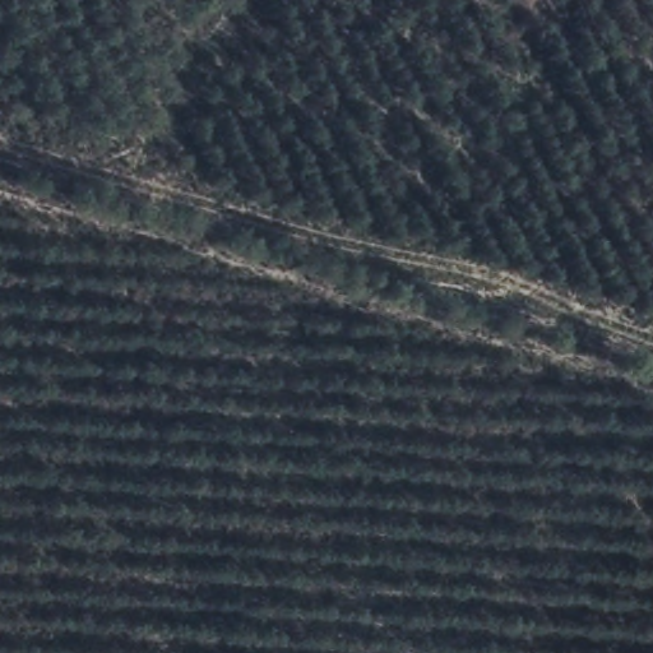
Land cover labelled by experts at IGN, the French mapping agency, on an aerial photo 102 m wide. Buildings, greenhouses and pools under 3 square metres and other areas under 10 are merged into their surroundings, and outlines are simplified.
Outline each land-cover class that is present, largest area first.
<instances>
[{"label":"brushwood","instance_id":"1","mask_svg":"<svg viewBox=\"0 0 653 653\"><path fill-rule=\"evenodd\" d=\"M133 0H82L84 23L77 28H59L51 38L33 41L15 66L18 77L23 79V89L18 94H0V145L10 143L13 138H28L41 153H51L77 166L94 161L97 166H102L105 173L130 179L138 173H166V181L189 184L191 189L209 184L212 199L227 204L253 199V179L242 158L235 153L230 130L224 125V112H232L237 117L242 138L253 150V158L263 171V179L273 196L270 217L265 219L281 222L283 207L293 199L304 202L309 222H324L316 191L304 176L301 158L293 148V143L304 140L306 148L314 153L321 179L337 207V222L329 230H349L357 237L372 235L378 240H385L390 224L385 219L383 204L378 194H372L365 168L360 166V158L342 125L347 117H352L357 130L365 135L367 115L344 87L319 26V18L329 13L332 26L342 41V48L349 59L352 77L372 99H378L380 92L388 89V84L380 77L370 79L367 74L365 56L355 43V36L360 31L352 23L347 26L342 20L339 8L332 0H247L240 13L227 15V23L214 36L204 38L202 43H191L186 66L176 71V79L181 84V99L168 112L171 128L163 135L148 140L145 150L128 148L115 130L102 135L99 125L89 115V102L99 89L110 87V82L99 77L89 46L130 23ZM288 5L298 10L304 31L314 41L311 51L293 43L286 20ZM41 56H46L51 69L56 71L64 89V102L69 107L61 133L43 120L48 110L46 102L36 97V89L43 82V77L36 71ZM258 56L268 59V74L283 97L286 112L293 117L296 128L288 133H283V125L273 112L268 92L255 79ZM286 56L296 59L298 79L306 84L309 92L298 102L293 99L286 77ZM247 94H253L260 102L263 120L273 130L281 153L286 156L288 176L293 184L291 189L281 186L275 168L265 153V145L255 133L253 117L242 107V99ZM191 117L212 120L214 143L224 153V163L232 171L227 179L214 181V166L204 156L202 135H196L189 128ZM314 122H324L334 150L347 163L349 179L360 186L370 212V227L355 219L352 202L342 191L327 161V153L311 130ZM416 18V26L411 31H403V20L393 18L385 26L390 28L398 43L400 59L406 61L408 71L421 87L423 107L429 115L439 125H446V120L444 107L439 102V87L431 82L429 71L413 51L416 41H426L439 38L444 33L436 23V0H418L411 8ZM587 10V5L571 20H564L559 26L574 64H584L587 48L579 36V15ZM444 79L449 82L454 77L467 74V89L482 105V110H487V115L495 120L500 145L508 150L510 158L505 168L490 163L487 171L477 168L467 176L469 196L459 199L451 179L446 176L436 186L434 199L423 202L421 207L416 204L403 214L408 235L398 245L406 250L441 255L449 245L446 227L457 219L462 235L469 242L464 247V258L482 263L487 260V253L474 227L472 212L480 202H487L497 189H503V204L487 212V227L505 258L508 270H513L520 265V258L513 247V240L505 235L503 222L515 219L536 263L546 260V250L556 247L569 288L576 296L584 288V275L576 265L566 235L559 230L554 219L533 230V222L525 214L533 204L538 207L546 199L533 173V166L520 150V143L531 140L533 150L546 166L548 179L554 181L564 214L571 219L576 235L587 247V258L599 281V293H587L582 301L592 309L615 306L612 298L620 291L615 288L607 273V265L599 255V245L610 242L627 283L638 278V268L627 247L622 245L607 209L617 204L622 209L633 240L643 247L648 263H653V130L648 117L643 115L635 122L638 140L630 145L627 140L620 143L617 150L625 163H630L635 156H643L645 163L633 166L625 176H615L602 150V135L597 133L582 97L571 89L561 97V102L554 99L543 107L554 125V133L561 140V148H569L582 138L587 140L592 168L587 171L584 166H576L574 171L582 179V186L569 189L559 163L548 150L543 133L536 128H525V117L515 110L513 102L500 107L495 89L482 77V69L472 56L467 43L457 54L441 46L439 54ZM0 245L66 247V260L59 263L0 258V301L61 306L87 304L140 311L138 321H97L84 316L33 319L23 314H0V329L133 337L148 334L150 314L161 311L163 337L171 339L204 337L212 342L265 344V329H214L204 324H176V311H204L255 319L291 316L293 327L286 329L283 342L288 347H352L380 352L385 349L383 337H355L352 327L390 324L393 334L400 339V349L411 355H482L503 360L505 349L503 347L464 342L449 337L446 329L436 332L421 321H400L388 314H367L357 306H337L329 298H324L319 304H247L227 296H212L209 301L196 304L186 301L184 296L153 293L148 304H143L135 301L133 293L28 286L23 273L222 283L230 268L224 263H217L212 270H199L196 265L166 268L120 265L110 260L87 263L79 258L82 247H120L133 253L176 255L179 247V242L140 235L102 232L92 224H82V219L74 217L69 219L66 232L61 235L54 230L51 214L23 209L13 202L0 199ZM28 360L92 362L110 367L133 365L135 370L130 380L74 378L54 372L31 375L26 372ZM148 365L176 372L196 370L232 375L253 372L258 378L275 375L283 378V388L240 390L230 385L148 383ZM304 378H349L357 383L380 380L408 385L474 388L472 400L431 398L429 426L314 421L286 416L242 418L232 413L161 411L153 406L112 408L77 403L79 390H99L153 393L166 398L196 395L199 400H232L242 408L253 403H293L388 408L403 413L416 411L413 398H375L316 390L298 393L296 383ZM61 388L59 400H0V418H36V429L0 431V441H46L56 446H74L71 434L56 431V421L71 418L156 426V439H112L89 434L84 444L87 449L176 451L212 457H278L291 462L319 459L327 464L357 459L383 467L449 472L469 469L528 477L543 474L559 480L574 477L653 485V472L584 464L554 467L541 464V459L548 451H620L625 457H653V436L635 439L617 434L574 431H446V421H451L454 416L480 413L495 418L490 393L500 388L627 395L635 388L633 383L615 378H594L582 370L554 365L546 357L525 355V367L515 372H436L375 367L360 362L352 365L347 360L247 362L240 357L176 355L145 347L110 352L59 344L0 342V388ZM173 426L270 431V441H166V431ZM281 434L390 439L444 446L464 444L472 446V457H421L400 451L385 454L355 446L344 451H337L332 446H283L278 444ZM492 449H528V459L497 462L492 459ZM566 416H579L589 421L607 418V406L566 403ZM620 421L653 423V408L627 406L620 408L617 416ZM0 472L43 469L41 459L31 451L0 457ZM59 472L69 477H112L138 482H209L227 487L365 492L385 497L413 495L418 500H485L492 503V513L487 515L342 508L314 503L275 505L263 500L196 497L189 492L133 495L84 487L61 490L0 485V500H79L92 505L189 508L194 513H240L319 520L418 523L426 528L510 533H531L533 520L508 518L505 505L602 508L607 513L653 518V497L640 500L610 492L574 495L561 490H503L469 485L464 487L441 482L380 480L360 474L311 477L84 459L59 464ZM0 528L36 533H122L128 538L217 541L237 546H275L301 551L566 564L599 571L653 574V559L564 548L380 538L357 533L304 536L265 528H189L179 523H145L115 518L107 520L84 515L56 518L43 513H0ZM551 533L561 538L592 536L602 541H633L635 533L633 528H607L589 520H556ZM0 556H15L26 561L56 559L61 564L107 561L138 566L235 569L263 574L291 571L306 576L388 582L390 587L403 579L398 569L390 566H344L212 554H133L122 548L112 551L71 546H28L13 541L0 543ZM418 582L423 584L482 589L513 587L518 592L543 594L574 592L579 582L566 576L492 579L485 574L467 571L421 569ZM0 589H84L133 597L158 594L222 602L245 599L253 605L278 602L301 607L406 615H492L500 620L523 617L546 625L564 622L653 630V615L599 612L587 607H533L495 599L462 602L449 597L411 594H337L329 589H291L265 584H186L112 579L97 574L59 576L56 571H0ZM589 594L599 599L653 602V587L640 589L589 584ZM0 615L33 620L92 617L148 625H191L268 633L278 630L288 635V643L283 648H273L230 645L214 640H163L161 633H156V638L148 640L122 633L0 630V645H10V648H64V650H97V653H347L306 650L301 648L304 635L400 640L408 643L406 653H423V643L431 640L454 648L497 645L523 653H653V643L551 635L531 638L495 630L454 627L413 630L400 625L250 617L240 612H189L168 607H82L74 602H0Z\"/></svg>","mask_w":653,"mask_h":653},{"label":"coniferous trees","instance_id":"2","mask_svg":"<svg viewBox=\"0 0 653 653\"><path fill-rule=\"evenodd\" d=\"M84 23L82 0H0V94H18L23 89V79L18 77L15 66L33 41L51 38L59 28H77ZM158 0H133L130 23L89 46L99 77L110 82V87L99 89L89 102V115L99 125L102 135L115 130L128 148L145 150L148 140L163 135L171 128L168 112L181 99V84L176 79V71L186 66L191 43L194 33L209 18L219 13L227 15L240 13L247 0H186L194 8V13L171 28V38L166 43L158 33L148 28V20L156 18L153 5ZM339 8L342 20L347 26L352 23L362 10H367L370 0H332ZM418 0H393V18L403 20V31H411L416 26V18L411 8ZM451 18L467 33V43L472 56L482 54L485 48L474 20L464 10V0H451ZM579 36L587 48L584 64H574L559 26H546L543 38L556 48V61L564 69L571 89L582 97L597 133L602 135V150L615 176H625L633 166L645 163L643 156H635L630 163H625L617 150L620 143L627 140L630 145L638 140L635 122L622 97L617 94L615 79L607 66L610 61H620L633 94L643 105V115L648 117L653 130V79L643 84V79L638 77V66L627 59L620 28L602 8V0H589L587 5V10L579 15ZM592 71L602 82V89L610 99V110L605 112L597 107L584 82ZM620 8L630 18V26L635 31L640 56H650L653 51V0H620ZM286 20L293 43L311 51L314 41L304 31L298 10L288 5ZM319 26L344 87L367 115L365 135L357 130L352 117H347L342 125L360 158V166L365 168L372 194H378L383 204L385 219L390 224L385 240L390 245H398L408 235L403 214L398 212L390 191L378 176L375 158L385 148V143L380 133L383 122L380 115L372 110V99L352 77L349 59L342 48V41L332 26L329 13L319 18ZM355 43L365 56L367 74L370 79L380 77L378 59L388 54L393 71L408 92L406 110L416 112L423 107L421 87L408 71L406 61L400 59L398 43L390 28L385 26H380V31H360L355 36ZM413 51L429 71L431 82L439 87V102L444 107L446 120V125H439L429 115L423 120V128L434 138V153L444 161L446 176L451 179L459 199L469 196L467 176L459 166L457 150L446 148L444 140H439V135L444 128H462L454 110V94L467 89V74L454 77L449 82L444 79L439 54L429 48L426 41H416ZM503 54L508 59V69L531 71L538 64L520 56V48L515 43H508ZM36 71L43 77V82L36 89V97L46 102L48 110L43 120L61 133L69 107L64 102V89L56 71L51 69L46 56H41ZM255 79L268 92L273 112L283 125V133H288L296 128L293 117L286 112L283 97L268 74V59L258 56ZM286 77L293 99L298 102L309 92L306 84L298 79L296 59L286 56ZM242 107L253 117L255 133L265 145V153L275 168L281 186L291 189L293 184L288 176L286 156L281 153L273 130L263 120L260 102L253 94H247L242 99ZM536 128L543 133L548 150L559 163L569 189L582 186V179L574 171L576 166H584L587 171L592 168L587 140L582 138L569 148H561V140L554 133V125L543 107L531 105ZM477 122L485 133V148L492 150L500 145L495 120L487 115V110H477ZM224 125L230 130L235 153L242 158L253 179V199L255 214L265 219L270 217L273 196L263 179V171L253 158V150L242 138L237 117L232 112H224ZM189 128L196 135H202L204 156L214 166V181L227 179L232 171L224 163V153L214 143L212 120L191 117ZM311 130L327 153V161L342 191L352 202L355 219L370 227V212L360 186L349 179L347 163L334 150L324 122H314ZM293 148L301 158L304 176L316 191L324 222L329 230L337 222V207L321 179L314 153L306 148L304 140L293 143ZM520 150L533 166V173L546 199L538 207L533 204L525 214L533 222V230L554 219L559 230L566 235L576 265L584 275V288L576 296L582 301L587 293H599V281L587 258V247L576 235L571 219L564 214L554 181L548 179L546 166L533 150L531 140L520 143ZM503 204V189H497L487 202H480L472 212L474 227L487 253V260L482 263L497 270H508L505 258L487 227V212ZM281 222L286 224L309 222L304 202L293 199L283 207ZM622 245L627 247L638 268V278L627 283L610 242L599 245V255L607 265V273L615 288L620 291L612 298L615 306H620L622 314L643 327L653 324V263H648L643 247L633 240L622 209L617 204L607 209ZM449 245L441 255L464 258V247L469 242L462 235L457 219L446 227ZM505 235L513 240V247L520 258V265L513 270L523 278L543 281L556 291L569 288L556 247L546 250V260L536 263L515 219L503 222ZM0 258L59 263L66 260V247L0 245ZM79 258L87 263L110 260L120 265L166 268L196 265L199 270H212L217 263L212 258L184 253L179 247L176 255L133 253L120 247H82ZM28 286L133 293L135 301L143 304H148L153 293L184 296L186 301L196 304L209 301L212 296H227L247 304H319L324 298L288 281L260 278L240 268H230L222 283L23 273ZM0 314H23L33 319L84 316L97 321H138L140 311L87 304L61 306L0 301ZM176 324H204L214 329H265V344L212 342L204 337L171 339L163 337L161 311L150 314L148 334L133 337L0 329V342L59 344L110 352L145 347L176 355L240 357L247 362L347 360L352 365L360 362L375 367L436 372H515L525 367V355L523 352L505 349L503 360L482 355H411L400 349V339L393 334L390 324L352 327L355 337H383L385 349L380 352L352 347H288L283 342L286 329L293 327L291 316L255 319L204 311H176ZM135 370L133 365L110 367L92 362L28 360L26 372L31 375L54 372L74 378L130 380ZM148 383L230 385L240 390L283 388V378L275 375L258 378L253 372L232 375L196 370L176 372L148 365ZM298 393L316 390L375 398H413L416 411L403 413L388 408L293 403H253L242 408L232 400H199L196 395L166 398L153 393L99 390H79L77 403L112 408L153 406L161 411L232 413L242 418L286 416L314 421L429 426L431 398L472 400L474 388L408 385L380 380L357 383L349 378H304L296 383ZM61 388H0V400H59ZM495 418L480 413L454 416L451 421H446V431H574L617 434L635 439L653 436V423L620 421L617 416L620 408L627 406L653 408V395H643L635 388L627 395L500 388L490 393ZM566 403L607 406V418L589 421L579 416H566ZM36 429V418H0V431ZM56 431L71 434L74 446H56L46 441H0V457L31 451L41 459L43 469L0 472V485L61 490L84 487L133 495L189 492L196 497L263 500L275 505L314 503L342 508L487 515L492 513V503L485 500H418L413 495L385 497L365 492L227 487L209 482H138L112 477H69L59 472V464L84 459L311 477L360 474L380 480L441 482L464 487L469 485L503 490H561L574 495L610 492L640 500L653 497V485L574 477L559 480L543 474L528 477L469 469L449 472L383 467L357 459L327 464L319 459L291 462L278 457H212L176 451L87 449L84 444L89 434L112 439H156V426L71 418L56 421ZM270 441V431L173 426L166 431V441ZM278 444L283 446H332L337 451H344L355 446L385 454L400 451L421 457H472V446L464 444L444 446L390 439L281 434ZM492 459L497 462L528 459V449H492ZM541 464L554 467L584 464L653 472V457H625L620 451H548L541 459ZM0 513H43L56 518L84 515L107 520L115 518L145 523H179L189 528H265L304 536L357 533L380 538L564 548L653 559V518L607 513L602 508L505 505L508 518L533 520L531 533H510L426 528L418 523L319 520L240 513H194L189 508L92 505L79 500H0ZM556 520H589L607 528H633L635 533L633 541H602L592 536L561 538L551 533ZM13 541L28 546H71L112 551L122 548L133 554H212L344 566H390L398 569L403 579L390 587L388 582L306 576L291 571L263 574L235 569L138 566L107 561L61 564L56 559L26 561L15 556H0V571H56L59 576L97 574L112 579L186 584H265L291 589H329L337 594H411L449 597L462 602L495 599L533 607H587L599 612L653 615V602L599 599L589 594V584L640 589L653 587V574L599 571L566 564L301 551L275 546H237L217 541L128 538L122 533H36L0 528V543ZM421 569L467 571L485 574L492 579L566 576L579 582L574 592L543 594L518 592L513 587L482 589L423 584L418 582ZM0 602H74L82 607H168L189 612H240L250 617L400 625L413 630L454 627L495 630L531 638L551 635L653 643V630L564 622L546 625L523 617L500 620L492 615H406L301 607L278 602L253 605L245 599L222 602L158 594L133 597L84 589H0ZM0 630L122 633L148 640L156 638V633H161L163 640H214L230 645L273 648H283L288 643V635L278 630L268 633L191 625H148L92 617L33 620L0 615ZM408 643L400 640L304 635L301 648L306 650L347 653H406ZM423 653H523L497 645L454 648L431 640L423 643ZM0 653H97V650H64V648H10V645H0Z\"/></svg>","mask_w":653,"mask_h":653},{"label":"bare soil","instance_id":"3","mask_svg":"<svg viewBox=\"0 0 653 653\"><path fill-rule=\"evenodd\" d=\"M156 18L148 20V28L158 33L166 43L171 38V28L194 13V8L186 0H158L153 5ZM393 0H370L367 10H362L352 23L360 31H380V26H385L393 18ZM436 23L444 33L439 38L426 41L429 48L439 54L441 46L457 54L467 43V33L451 18V0H436ZM589 0H464V10L474 20L485 48L482 54L472 56L482 69V77L495 89L500 107L513 102L515 110L525 117V128H536L531 105L543 107L554 99L561 102V97L571 89L564 69L556 61V48L543 38L546 26H559L564 20H571L587 5ZM508 43H515L520 48V56L538 64L531 71L508 69V59L503 54ZM602 8L620 28L627 59L638 66V77L643 79V84L653 79V51L650 56H640L635 31L630 26V18L620 8V0H602ZM227 23V15L219 13L209 18L194 33L191 43H202L204 38L214 36ZM380 77L388 84V89L380 92L378 99H372V110L380 115L383 122L380 133L385 143V148L375 158L378 176L390 191L398 212L403 214L416 204L421 207L423 202L434 199L436 186L446 176L444 161L434 153V138L423 128V120L429 115L423 107L416 112L406 110L408 92L393 71L388 54L378 59ZM607 66L615 79L617 94L622 97L635 122L643 115V105L633 94L620 61H610ZM584 82L597 107L605 112L610 110V99L602 89V82L592 71ZM454 110L462 128H444L439 135V140H444L446 148L457 150L459 166L467 176L477 168L487 171L490 163L505 168L510 158L508 150L500 145L492 150L485 148V133L477 122V110H482V105L467 89L454 94ZM0 199L13 202L23 209L51 214L54 230L61 235L66 232L69 219L74 217L82 219V224H92L102 232L140 235L179 242V247L184 253L212 258L217 263H224L230 268H240L260 278L288 281L324 298H329L337 306H349L344 293L337 291L329 281H309L301 273L283 268L263 265L258 260L235 255L230 247L209 245L196 250L191 247V240H186V230H166L168 217L156 214V204L161 199H150L143 209H128V219L102 217L92 209H84L79 204L82 199L74 196H59V202H38L26 191L20 181L10 184L0 176ZM423 283H431L436 288L469 291L480 298L500 296L497 286L477 281L472 275L421 270ZM357 306L367 314H388L400 321H421L436 332L446 329L441 319L429 316L426 311L421 306H406L400 311L395 301L380 298L375 293ZM605 329L610 344H615L622 352H635L643 360L653 355V324L643 327L622 314L617 316V321L594 319L592 324ZM464 342L503 347V337L487 329V321H477ZM525 355L546 357L554 365L582 370L594 378H615L633 383L638 378V365L630 370L615 367L607 360L576 352V347L571 352H559L556 347L531 337L523 342V352Z\"/></svg>","mask_w":653,"mask_h":653},{"label":"herbaceous vegetation","instance_id":"4","mask_svg":"<svg viewBox=\"0 0 653 653\"><path fill-rule=\"evenodd\" d=\"M0 176L10 184L20 181L48 179L59 196H74L84 194L87 189L89 181L77 166L51 153H41L28 138H13L10 143L0 145ZM105 181H115V189L120 199L128 204V209H143L150 199L148 194H135V184L130 179L105 173ZM230 212L222 214L217 222H209L204 232L209 245L230 247L237 235L250 237L253 242L263 240L270 253L283 255V268L301 273L306 265H332L334 253L339 250V242L329 245V240L316 237L296 242L286 224L281 222L265 219L255 214L253 199L227 204ZM365 265L367 273L385 275V286L393 296L403 283H408L413 293L423 298L426 311L429 316L441 319L459 306H469L477 321H487V329L497 334L508 324V319L518 316L531 337L556 347L559 352H571L576 347V352L607 360L615 367L630 370L638 365L643 360L635 352H622L615 344H610L605 329L592 324H587L579 314H556L528 296H500L480 298L469 291L436 288L431 283H423L421 270L403 268L383 255H375L372 250H362V255H349L344 258V268Z\"/></svg>","mask_w":653,"mask_h":653},{"label":"deciduous trees","instance_id":"5","mask_svg":"<svg viewBox=\"0 0 653 653\"><path fill-rule=\"evenodd\" d=\"M26 191L38 202H59V196L48 179L20 181ZM74 196L82 199L79 204L84 209H92L102 217L128 219V204L120 199L115 189V181H105L102 186L92 184L87 189L84 194ZM156 214L168 217L166 230H186V240H191V247L196 250L209 245L204 232L209 222L207 212L189 207L184 196L161 199L156 204ZM235 255L258 260L263 265L283 268V255L270 253L263 240L253 242L250 237L237 235L230 247ZM349 255L339 250L334 253L332 265H306L301 273L309 281H329L337 291L344 293L349 306H357L375 293L380 298L395 301L400 311L406 306H421L426 311L423 298L413 293L408 283H403L393 296L385 286V275L367 273L365 265L344 268V258ZM446 329L449 337L464 342L477 321L469 306H459L441 319ZM503 337V347L505 349L523 352V342L531 337L518 316L508 319V324L497 334ZM635 388L643 395H653V355L643 360L638 365V378L633 383Z\"/></svg>","mask_w":653,"mask_h":653},{"label":"pervious surface","instance_id":"6","mask_svg":"<svg viewBox=\"0 0 653 653\"><path fill-rule=\"evenodd\" d=\"M89 181L87 189L92 184L102 186L105 181V173L102 166H97L94 161L77 166ZM135 184V194H148L150 199H161L184 196L189 207L207 212L209 222H217L222 214L230 212L227 204L212 199L209 184L191 189L189 184L166 181V173H138L130 179ZM296 242L316 237L329 240V245L339 242V250L349 255H362V250H372L375 255H383L403 268L421 270L472 275L477 281L497 286L500 296H528L556 314H579L587 324H592L594 319L617 321V316L622 314L620 306H615L592 309L582 301L576 296L569 288L556 291L543 281L523 278L513 270H497L482 263L464 258L441 255L406 250L398 245H390L385 240H378L372 235L357 237L349 230H329L324 222H309L286 224Z\"/></svg>","mask_w":653,"mask_h":653}]
</instances>
